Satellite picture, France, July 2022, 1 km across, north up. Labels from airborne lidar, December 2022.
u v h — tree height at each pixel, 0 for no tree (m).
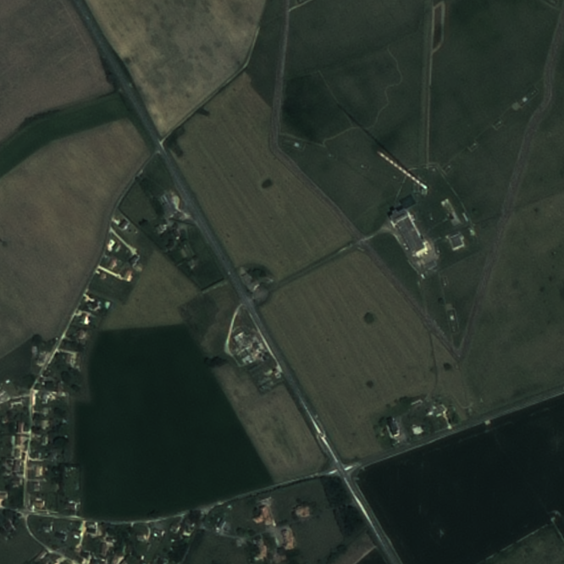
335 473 0
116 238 0
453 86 0
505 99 0
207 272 0
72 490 0
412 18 0
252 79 0
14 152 0
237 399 0
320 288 0
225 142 0
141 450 0
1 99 0
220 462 0
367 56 0
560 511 0
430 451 0
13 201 0
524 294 0
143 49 0
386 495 0
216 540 0
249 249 0
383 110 0
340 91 0
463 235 0
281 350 0
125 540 7
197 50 0
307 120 0
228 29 0
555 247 0
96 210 0
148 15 0
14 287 0
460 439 0
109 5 0
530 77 0
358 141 0
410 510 0
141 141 0
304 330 0
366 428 0
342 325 0
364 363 0
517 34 0
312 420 0
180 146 0
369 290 0
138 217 0
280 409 0
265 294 0
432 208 0
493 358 0
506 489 0
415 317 0
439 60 0
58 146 0
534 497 0
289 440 0
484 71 0
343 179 0
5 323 0
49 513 0
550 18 0
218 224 0
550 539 0
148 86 0
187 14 0
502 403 0
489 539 0
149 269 0
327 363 0
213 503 0
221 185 0
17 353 0
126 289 0
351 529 14
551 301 0
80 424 0
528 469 0
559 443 0
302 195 0
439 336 0
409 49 0
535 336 0
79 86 0
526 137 0
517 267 0
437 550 0
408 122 0
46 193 0
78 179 0
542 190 0
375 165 0
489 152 0
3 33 0
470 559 0
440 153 0
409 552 0
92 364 0
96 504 0
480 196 0
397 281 0
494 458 0
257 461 0
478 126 0
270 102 0
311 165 0
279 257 0
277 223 0
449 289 0
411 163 0
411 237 0
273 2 0
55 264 0
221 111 0
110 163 0
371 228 0
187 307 0
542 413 0
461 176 0
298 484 12
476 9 0
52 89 0
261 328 0
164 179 0
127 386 0
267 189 0
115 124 0
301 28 0
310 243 0
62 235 0
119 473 0
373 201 0
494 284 0
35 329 0
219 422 0
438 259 0
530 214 0
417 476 0
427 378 0
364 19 0
